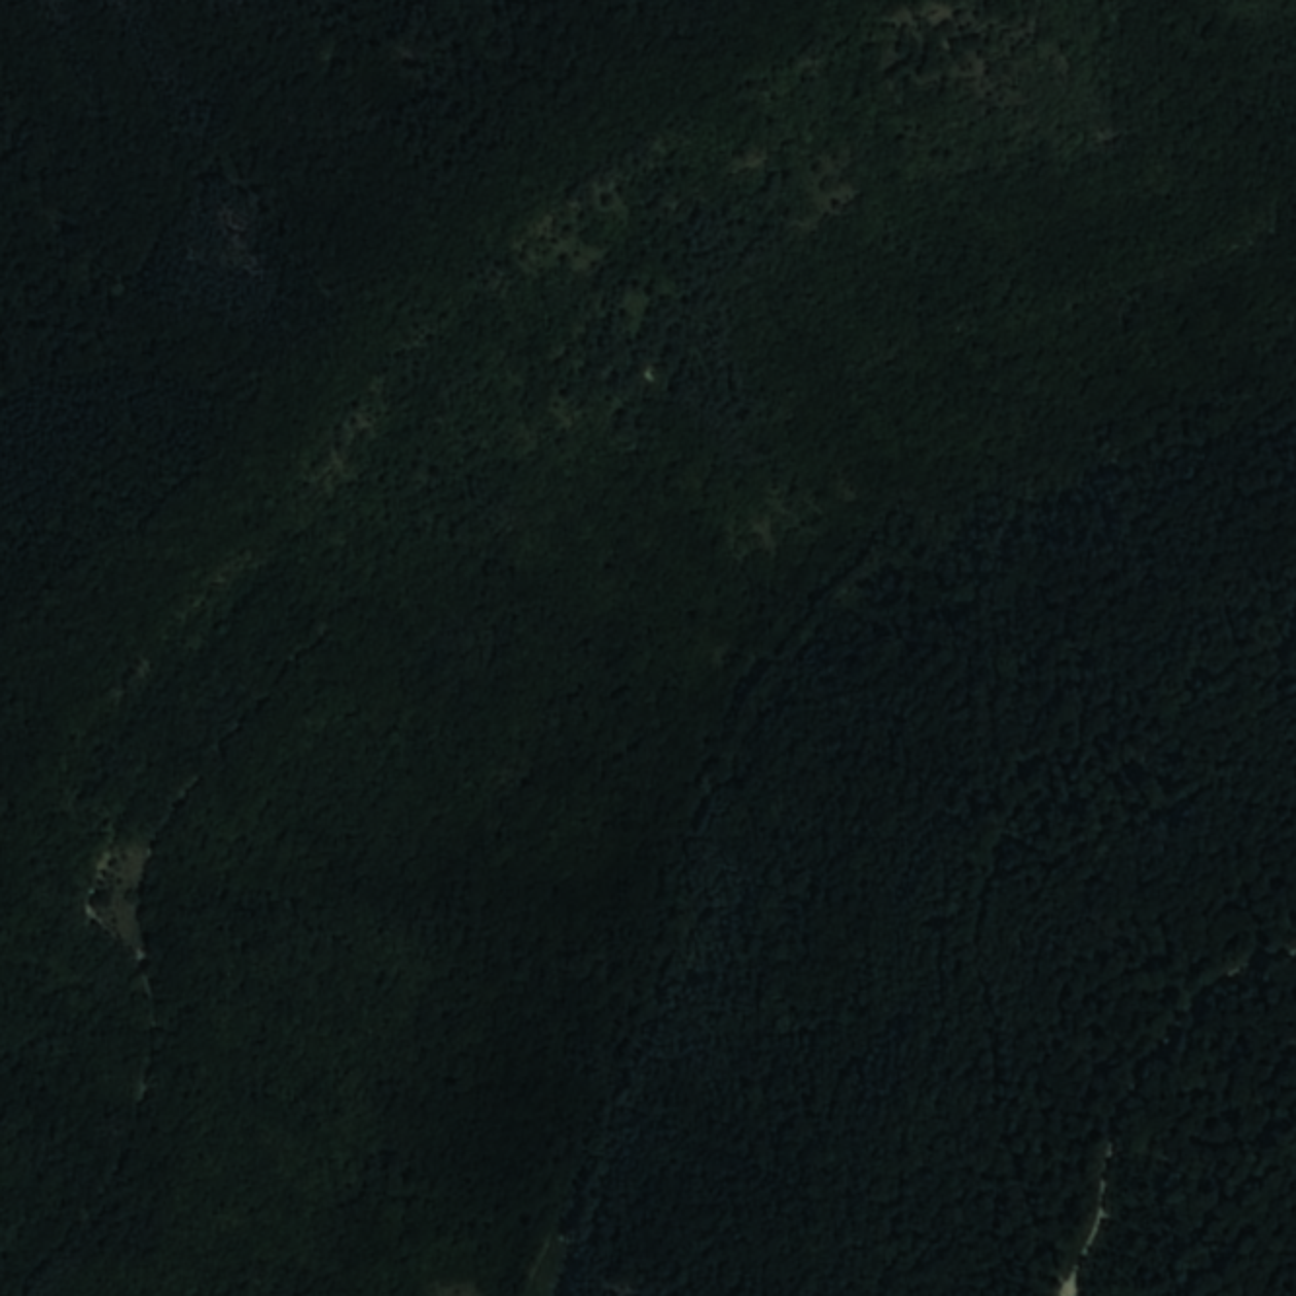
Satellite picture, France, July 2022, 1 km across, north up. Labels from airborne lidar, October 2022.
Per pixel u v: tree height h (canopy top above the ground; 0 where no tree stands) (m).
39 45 19
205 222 22
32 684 16
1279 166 25
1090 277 20
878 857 19
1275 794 18
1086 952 28
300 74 14
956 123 6
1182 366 16
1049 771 19
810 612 13
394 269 16
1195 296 22
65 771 13
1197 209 17
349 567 10
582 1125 16
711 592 19
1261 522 24
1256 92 14
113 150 21
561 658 24
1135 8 13
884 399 18
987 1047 18
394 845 23
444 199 16
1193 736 32
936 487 8
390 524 11
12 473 16
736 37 16
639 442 10
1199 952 31
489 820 22
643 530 19
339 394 13
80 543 13
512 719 19
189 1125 14
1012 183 10
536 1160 24
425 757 21
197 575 16
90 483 13
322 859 24
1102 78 8
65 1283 23
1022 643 25
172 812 10
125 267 20
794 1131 24
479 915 30
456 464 7
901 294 18
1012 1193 25
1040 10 8
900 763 21
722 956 16
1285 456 27
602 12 25
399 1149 17
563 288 13
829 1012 30
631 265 10
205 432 19
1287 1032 31
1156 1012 21
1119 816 27
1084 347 14
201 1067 15
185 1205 16
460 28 23
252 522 17
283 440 14
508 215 14
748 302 15
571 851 23
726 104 17
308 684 12
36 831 12
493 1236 27
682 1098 19
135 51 16
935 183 10
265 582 14
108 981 17
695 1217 24
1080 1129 26
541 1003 26
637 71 17
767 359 18
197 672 11
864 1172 21
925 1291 25
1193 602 28
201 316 23
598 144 18
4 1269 15
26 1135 16
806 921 29
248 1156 17
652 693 23
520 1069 24
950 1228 23
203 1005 17
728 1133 19
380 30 6
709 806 27
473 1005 26
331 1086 17
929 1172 21
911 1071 32
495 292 6
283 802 13
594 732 22
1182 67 19
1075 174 14
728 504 12
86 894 8
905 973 16
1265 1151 31
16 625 14
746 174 8
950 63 8
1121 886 24
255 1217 19
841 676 15
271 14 20
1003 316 14
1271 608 17
